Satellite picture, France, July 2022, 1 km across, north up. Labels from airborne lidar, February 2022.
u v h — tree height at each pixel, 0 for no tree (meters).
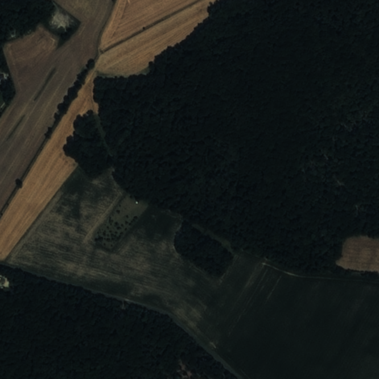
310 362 0
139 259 0
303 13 24
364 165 27
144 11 0
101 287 0
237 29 35
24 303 22
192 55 31
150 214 0
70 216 0
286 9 20
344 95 23
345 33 24
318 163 21
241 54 29
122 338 25
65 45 0
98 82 17
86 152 20
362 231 22
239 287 0
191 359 25
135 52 0
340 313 0
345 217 33
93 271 0
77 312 20
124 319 25
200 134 29
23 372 21
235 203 21
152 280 0
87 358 26
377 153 27
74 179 0
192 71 26
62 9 0
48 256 0
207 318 0
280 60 27
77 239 0
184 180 28
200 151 26
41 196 0
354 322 0
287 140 29
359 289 0
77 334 28
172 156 28
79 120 23
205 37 33
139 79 20
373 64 23
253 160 25
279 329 0
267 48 27
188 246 18
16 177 0
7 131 0
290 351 0
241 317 0
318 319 0
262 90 27
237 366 0
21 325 24
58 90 0
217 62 28
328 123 21
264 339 0
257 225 28
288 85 28
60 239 0
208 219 24
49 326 27
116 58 0
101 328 27
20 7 20
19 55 0
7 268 18
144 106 26
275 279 0
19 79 0
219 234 24
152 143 26
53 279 0
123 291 0
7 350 25
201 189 29
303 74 28
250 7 31
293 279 0
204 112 26
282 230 25
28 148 0
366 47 22
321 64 27
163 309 0
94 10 0
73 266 0
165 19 0
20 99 0
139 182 26
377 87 25
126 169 23
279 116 26
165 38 0
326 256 19
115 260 0
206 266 16
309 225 25
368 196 28
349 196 28
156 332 24
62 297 25
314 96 26
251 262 0
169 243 0
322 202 27
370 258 0
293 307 0
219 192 9
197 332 0
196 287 0
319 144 25
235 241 26
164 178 29
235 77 24
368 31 23
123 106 21
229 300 0
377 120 27
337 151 27
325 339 0
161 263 0
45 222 0
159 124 24
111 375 22
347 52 21
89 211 0
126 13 0
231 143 28
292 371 0
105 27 0
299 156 24
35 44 0
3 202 0
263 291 0
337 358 0
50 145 0
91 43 0
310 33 28
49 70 0
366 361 0
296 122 26
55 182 0
